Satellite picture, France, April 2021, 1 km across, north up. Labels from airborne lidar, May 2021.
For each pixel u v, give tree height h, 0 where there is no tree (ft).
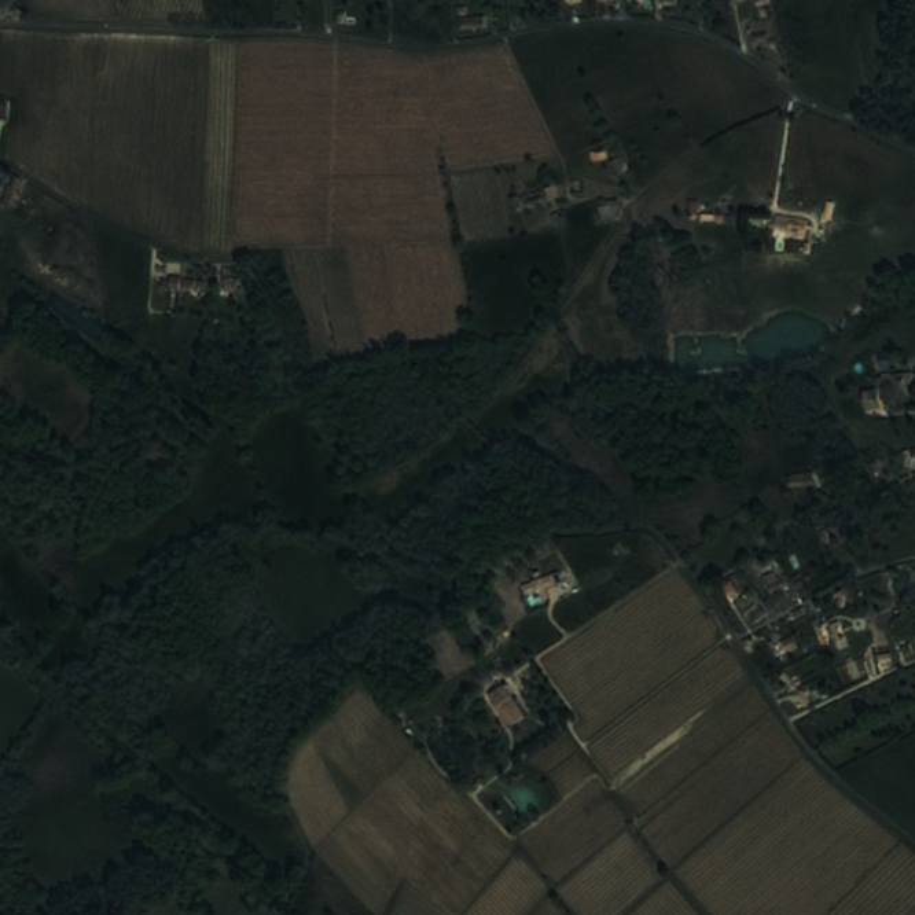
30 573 0
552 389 0
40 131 0
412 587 0
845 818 0
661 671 0
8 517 61
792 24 37
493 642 31
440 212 0
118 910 61
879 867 0
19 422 64
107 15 0
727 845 0
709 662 0
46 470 79
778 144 0
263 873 66
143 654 75
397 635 74
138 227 0
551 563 0
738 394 33
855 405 0
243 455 47
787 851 0
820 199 0
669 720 0
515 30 0
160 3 0
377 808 0
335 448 36
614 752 0
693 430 82
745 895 0
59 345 70
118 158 0
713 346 0
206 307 45
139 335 0
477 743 38
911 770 0
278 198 0
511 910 0
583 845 0
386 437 54
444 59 0
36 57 0
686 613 0
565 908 46
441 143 0
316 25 0
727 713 0
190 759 52
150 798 0
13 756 28
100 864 0
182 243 0
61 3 0
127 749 48
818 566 33
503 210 0
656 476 57
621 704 0
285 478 0
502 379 50
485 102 0
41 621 0
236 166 0
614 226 0
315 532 62
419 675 85
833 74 0
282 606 0
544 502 78
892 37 67
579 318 0
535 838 0
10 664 52
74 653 0
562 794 0
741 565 40
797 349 0
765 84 0
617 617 0
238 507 0
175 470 70
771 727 0
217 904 0
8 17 0
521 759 32
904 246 0
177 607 100
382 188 0
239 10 48
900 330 0
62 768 0
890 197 0
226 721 57
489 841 0
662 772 0
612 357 0
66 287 0
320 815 0
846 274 0
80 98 0
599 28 0
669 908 0
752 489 0
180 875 69
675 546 25
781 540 45
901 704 28
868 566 43
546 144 0
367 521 94
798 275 0
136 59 0
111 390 78
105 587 0
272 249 0
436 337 0
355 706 0
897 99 67
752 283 0
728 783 0
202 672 61
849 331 54
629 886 0
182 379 0
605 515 60
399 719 45
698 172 0
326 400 67
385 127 0
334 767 0
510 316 0
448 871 0
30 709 0
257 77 0
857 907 0
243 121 0
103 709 84
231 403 77
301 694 84
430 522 52
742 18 0
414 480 0
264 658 45
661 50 0
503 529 81
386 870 0
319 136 0
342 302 0
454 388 74
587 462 0
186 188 0
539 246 0
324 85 0
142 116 0
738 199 0
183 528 0
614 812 0
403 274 0
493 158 0
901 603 21
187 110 0
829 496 24
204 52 0
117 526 80
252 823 0
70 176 0
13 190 0
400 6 42
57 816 0
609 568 0
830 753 31
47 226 0
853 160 0
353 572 67
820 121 0
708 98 0
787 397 75
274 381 73
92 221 0
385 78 0
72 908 62
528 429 87
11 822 65
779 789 0
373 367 49
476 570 74
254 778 68
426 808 0
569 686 0
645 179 0
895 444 0
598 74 0
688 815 0
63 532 68
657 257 82
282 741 50
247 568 71
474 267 0
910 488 32
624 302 43
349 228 0
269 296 63
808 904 0
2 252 0
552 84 0
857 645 0
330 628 0
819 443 43
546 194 0
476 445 0
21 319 74
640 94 0
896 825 0
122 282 0
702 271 78
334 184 0
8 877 75
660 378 82
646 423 88
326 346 0
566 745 0
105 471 74
